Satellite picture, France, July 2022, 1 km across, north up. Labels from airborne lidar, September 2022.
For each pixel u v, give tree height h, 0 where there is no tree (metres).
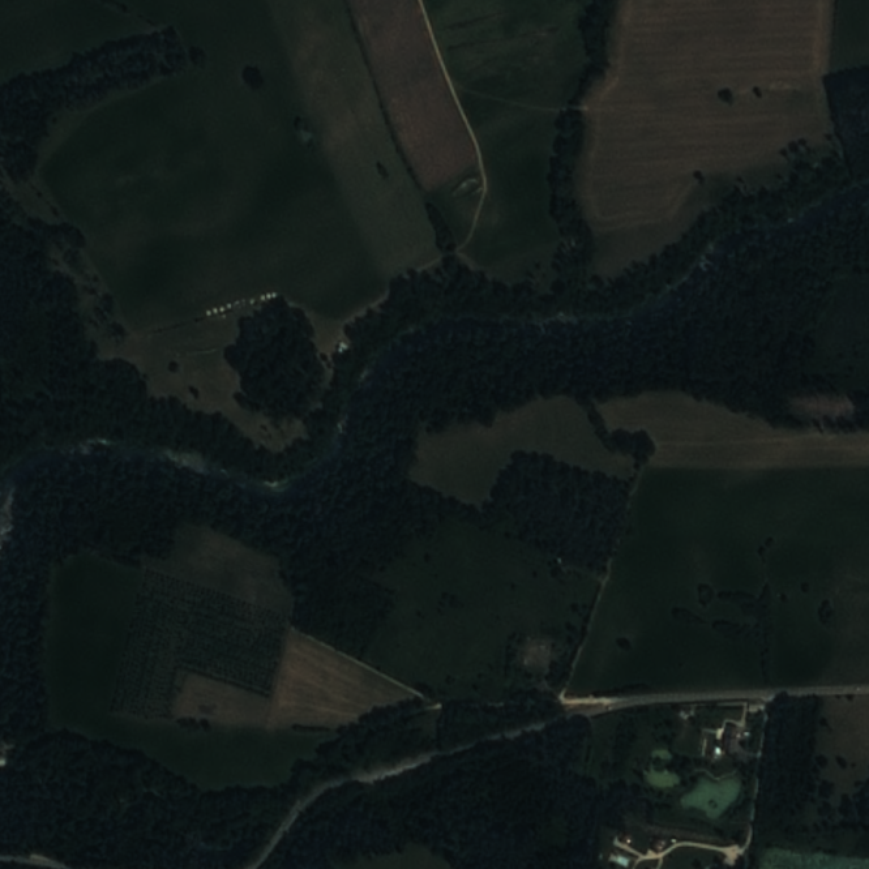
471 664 0
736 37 0
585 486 15
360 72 0
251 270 0
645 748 0
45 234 19
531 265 0
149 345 0
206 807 20
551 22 0
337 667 0
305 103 0
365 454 11
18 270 14
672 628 0
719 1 0
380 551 19
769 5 0
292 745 0
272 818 18
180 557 0
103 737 0
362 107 0
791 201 13
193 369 0
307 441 14
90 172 0
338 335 0
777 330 20
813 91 0
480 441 0
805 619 0
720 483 0
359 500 21
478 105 0
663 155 0
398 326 15
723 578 0
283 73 0
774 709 19
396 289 15
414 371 25
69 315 18
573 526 18
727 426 0
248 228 0
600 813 20
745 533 0
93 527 12
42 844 10
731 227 13
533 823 10
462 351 23
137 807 7
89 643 0
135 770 27
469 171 0
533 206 0
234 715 0
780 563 0
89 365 20
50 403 20
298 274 0
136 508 8
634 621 0
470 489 0
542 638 0
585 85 10
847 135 27
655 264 21
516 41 0
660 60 0
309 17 0
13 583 12
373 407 18
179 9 0
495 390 7
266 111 0
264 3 0
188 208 0
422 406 12
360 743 16
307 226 0
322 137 0
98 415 14
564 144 18
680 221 0
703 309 26
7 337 20
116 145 0
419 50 0
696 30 0
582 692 0
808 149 21
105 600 0
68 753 20
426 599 0
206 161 0
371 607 5
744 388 26
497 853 38
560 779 15
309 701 0
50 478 21
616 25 0
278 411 19
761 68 0
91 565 0
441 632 0
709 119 0
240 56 0
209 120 0
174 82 0
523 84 0
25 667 24
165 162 0
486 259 0
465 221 0
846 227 21
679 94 0
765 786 13
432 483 0
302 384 17
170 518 14
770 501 0
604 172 0
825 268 14
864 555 0
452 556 0
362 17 0
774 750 13
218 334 0
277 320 21
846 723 0
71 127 0
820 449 0
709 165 0
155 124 0
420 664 0
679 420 0
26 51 0
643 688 7
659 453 0
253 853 20
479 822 30
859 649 0
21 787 23
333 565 23
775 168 0
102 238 0
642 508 0
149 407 10
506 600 0
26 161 22
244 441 18
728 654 0
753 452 0
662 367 11
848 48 0
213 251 0
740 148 0
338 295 0
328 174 0
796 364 15
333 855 22
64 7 0
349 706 0
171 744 0
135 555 12
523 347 20
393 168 0
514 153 0
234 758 0
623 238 0
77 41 0
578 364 31
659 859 0
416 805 15
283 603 0
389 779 12
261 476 19
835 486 0
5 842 26
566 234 18
